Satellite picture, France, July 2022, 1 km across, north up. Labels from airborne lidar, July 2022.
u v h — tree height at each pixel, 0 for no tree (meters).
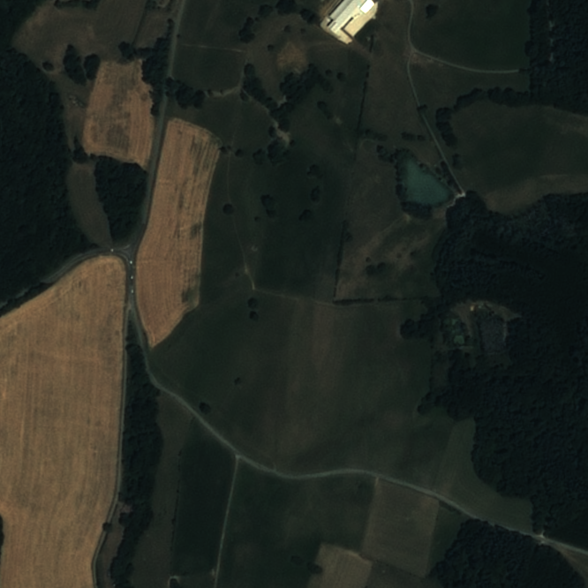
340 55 0
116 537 0
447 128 19
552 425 27
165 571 0
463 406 19
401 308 0
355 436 0
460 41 0
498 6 0
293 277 0
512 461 25
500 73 0
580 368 13
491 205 0
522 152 0
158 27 0
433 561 0
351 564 0
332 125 0
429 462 0
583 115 16
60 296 0
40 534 0
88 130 0
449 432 0
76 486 0
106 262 0
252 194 0
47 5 0
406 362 0
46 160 21
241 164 0
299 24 0
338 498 0
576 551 0
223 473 0
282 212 0
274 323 0
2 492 0
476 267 24
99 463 0
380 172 0
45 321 0
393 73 0
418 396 0
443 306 11
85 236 14
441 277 15
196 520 0
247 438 0
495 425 21
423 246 0
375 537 0
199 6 0
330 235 0
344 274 0
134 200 18
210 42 0
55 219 16
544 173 0
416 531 0
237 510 0
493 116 0
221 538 0
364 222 0
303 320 0
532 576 17
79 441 0
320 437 0
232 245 0
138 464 18
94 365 0
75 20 0
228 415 0
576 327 11
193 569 0
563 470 24
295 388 0
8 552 0
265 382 0
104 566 0
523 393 20
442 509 0
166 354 0
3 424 0
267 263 0
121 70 0
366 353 0
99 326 0
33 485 0
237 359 0
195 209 0
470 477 0
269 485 0
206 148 0
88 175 0
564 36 21
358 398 0
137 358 16
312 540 0
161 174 0
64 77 0
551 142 0
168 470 0
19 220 20
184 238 0
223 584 0
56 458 0
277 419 0
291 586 0
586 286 9
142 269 0
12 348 0
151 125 0
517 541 26
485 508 0
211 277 0
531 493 26
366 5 0
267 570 0
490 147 0
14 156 19
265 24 0
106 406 0
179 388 0
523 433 25
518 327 24
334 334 0
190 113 0
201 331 0
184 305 0
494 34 0
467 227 30
